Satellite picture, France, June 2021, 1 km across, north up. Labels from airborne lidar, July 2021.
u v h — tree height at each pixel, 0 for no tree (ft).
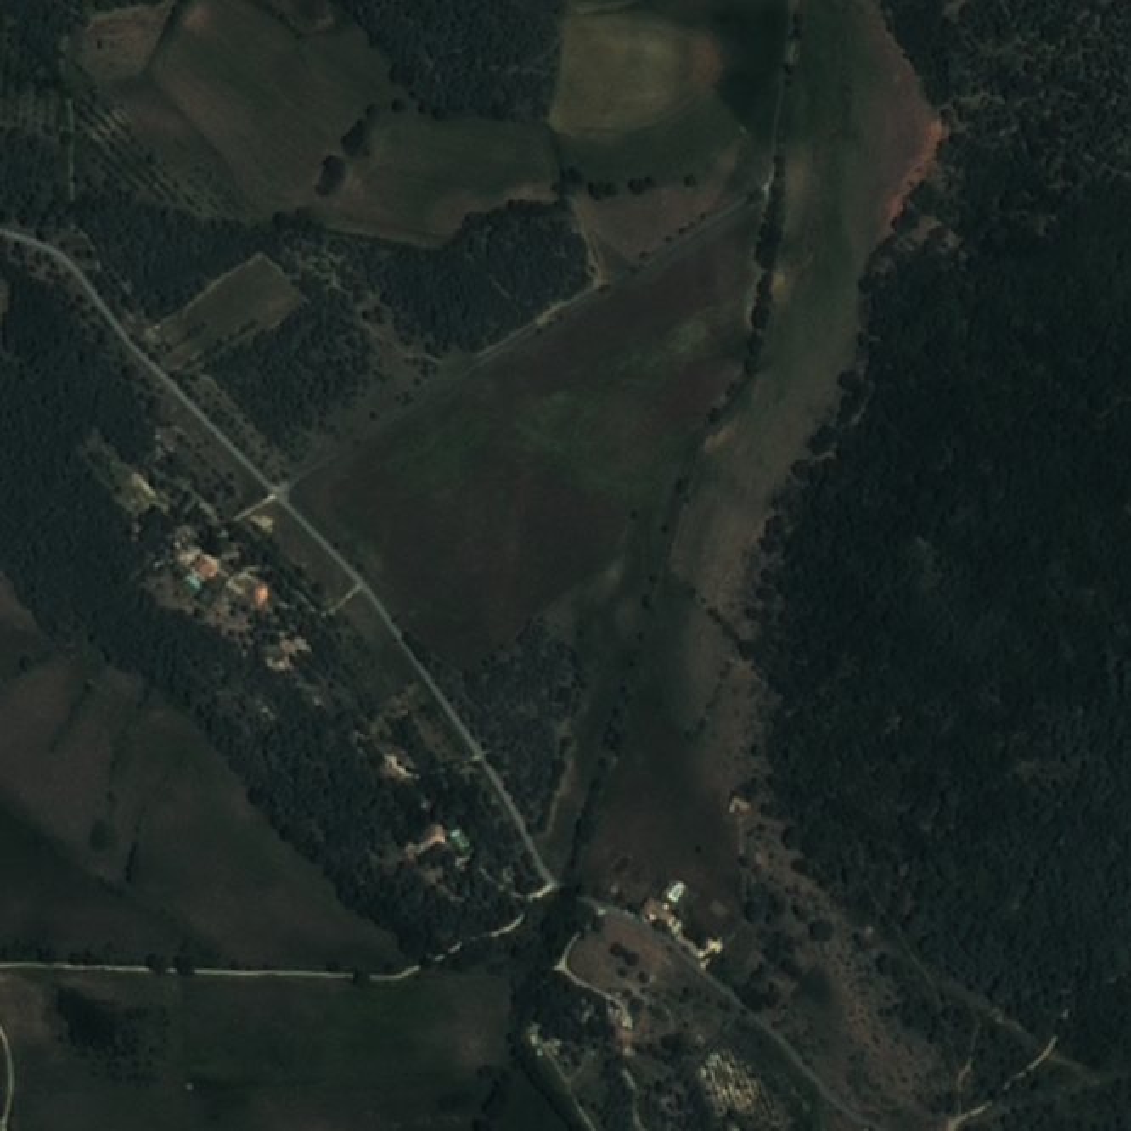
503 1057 0
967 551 41
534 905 28
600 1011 26
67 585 38
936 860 50
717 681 0
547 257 24
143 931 0
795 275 0
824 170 0
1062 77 34
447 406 0
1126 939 31
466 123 0
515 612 0
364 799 43
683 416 0
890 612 32
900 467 45
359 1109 0
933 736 25
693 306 0
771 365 0
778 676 25
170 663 30
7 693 0
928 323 26
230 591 0
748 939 0
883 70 0
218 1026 0
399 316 20
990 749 34
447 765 19
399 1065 0
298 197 0
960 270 20
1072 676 45
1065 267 33
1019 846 48
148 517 41
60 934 0
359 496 0
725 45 0
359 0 44
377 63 0
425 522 0
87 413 31
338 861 36
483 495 0
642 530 0
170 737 0
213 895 0
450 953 28
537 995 34
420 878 24
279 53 0
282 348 28
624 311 0
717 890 0
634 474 0
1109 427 28
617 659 0
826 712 27
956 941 30
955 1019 24
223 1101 0
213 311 0
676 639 0
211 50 0
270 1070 0
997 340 37
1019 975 39
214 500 35
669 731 0
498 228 31
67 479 43
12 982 0
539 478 0
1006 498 21
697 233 0
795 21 21
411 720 23
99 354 56
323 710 28
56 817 0
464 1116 0
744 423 0
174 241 26
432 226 0
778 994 28
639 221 0
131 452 31
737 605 0
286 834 46
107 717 0
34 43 35
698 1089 27
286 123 0
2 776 0
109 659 36
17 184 27
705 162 0
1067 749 37
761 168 0
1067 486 34
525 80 22
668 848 0
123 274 25
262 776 22
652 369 0
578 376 0
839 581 39
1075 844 36
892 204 0
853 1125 0
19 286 31
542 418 0
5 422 51
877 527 41
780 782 21
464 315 24
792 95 0
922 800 36
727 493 0
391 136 0
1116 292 33
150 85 0
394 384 0
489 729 21
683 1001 22
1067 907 36
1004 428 34
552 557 0
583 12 0
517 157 0
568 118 0
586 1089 0
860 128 0
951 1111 28
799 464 31
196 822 0
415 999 0
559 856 0
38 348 40
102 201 29
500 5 20
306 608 38
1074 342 35
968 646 37
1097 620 25
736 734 0
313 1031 0
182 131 0
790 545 31
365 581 0
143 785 0
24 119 19
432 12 27
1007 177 24
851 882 50
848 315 0
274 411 21
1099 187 32
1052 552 42
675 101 0
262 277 0
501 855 32
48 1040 0
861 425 29
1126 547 45
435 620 0
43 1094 0
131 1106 0
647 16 0
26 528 42
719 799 0
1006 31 40
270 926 0
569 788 0
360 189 0
